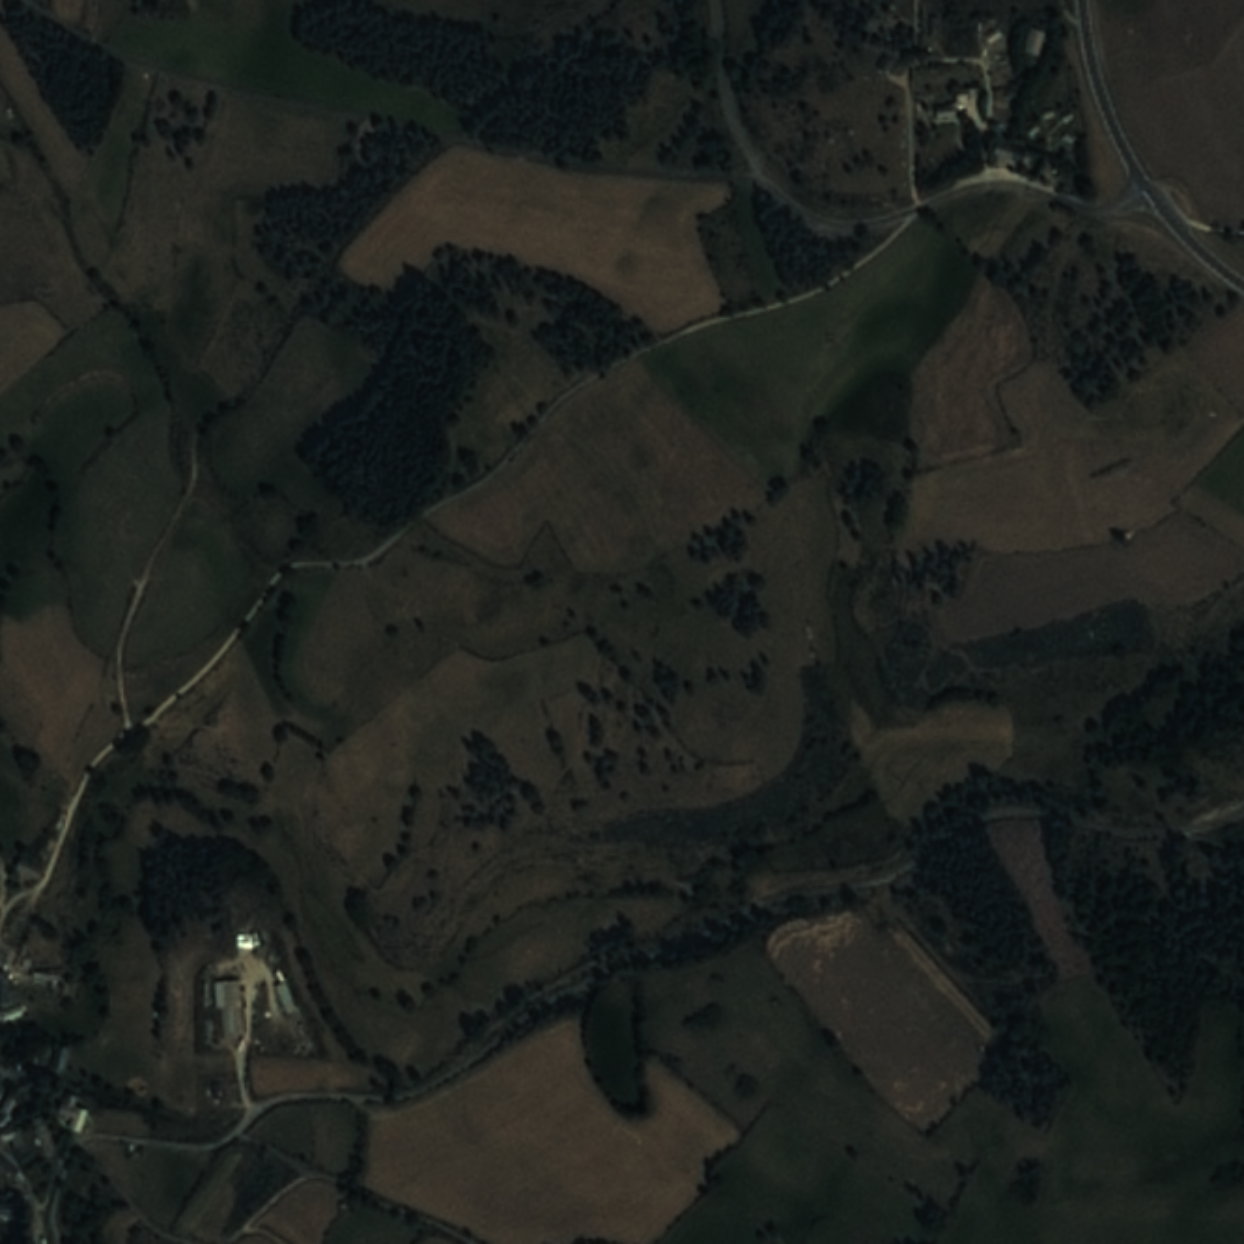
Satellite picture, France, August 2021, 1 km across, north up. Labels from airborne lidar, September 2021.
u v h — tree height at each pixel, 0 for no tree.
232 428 0
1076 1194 0
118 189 0
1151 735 19
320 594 0
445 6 0
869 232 12
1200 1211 0
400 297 11
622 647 0
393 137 11
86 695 0
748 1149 0
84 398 0
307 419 0
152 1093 0
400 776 0
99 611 0
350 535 0
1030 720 0
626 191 0
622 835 0
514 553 0
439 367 26
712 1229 0
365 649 0
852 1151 9
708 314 0
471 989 0
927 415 0
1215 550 0
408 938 0
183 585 0
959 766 0
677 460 0
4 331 0
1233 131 0
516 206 0
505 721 0
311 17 14
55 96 19
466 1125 0
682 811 0
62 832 0
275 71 0
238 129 0
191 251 0
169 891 15
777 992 0
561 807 0
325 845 0
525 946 0
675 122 0
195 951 0
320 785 0
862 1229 0
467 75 19
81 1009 0
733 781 0
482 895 0
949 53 0
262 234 13
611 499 0
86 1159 12
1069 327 7
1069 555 0
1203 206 0
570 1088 0
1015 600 0
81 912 0
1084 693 0
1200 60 0
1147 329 12
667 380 0
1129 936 15
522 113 16
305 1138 0
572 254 0
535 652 0
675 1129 0
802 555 0
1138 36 0
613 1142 0
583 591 0
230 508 0
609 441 0
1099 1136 0
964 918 16
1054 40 15
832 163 0
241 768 0
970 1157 0
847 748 10
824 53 0
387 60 15
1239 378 0
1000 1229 0
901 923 0
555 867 0
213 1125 0
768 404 0
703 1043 0
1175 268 0
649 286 0
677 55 17
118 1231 0
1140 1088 0
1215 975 20
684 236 0
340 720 0
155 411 0
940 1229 9
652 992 0
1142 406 0
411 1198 0
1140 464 0
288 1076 0
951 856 15
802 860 0
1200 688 6
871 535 0
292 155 0
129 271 0
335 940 0
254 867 14
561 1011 7
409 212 0
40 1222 0
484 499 0
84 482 0
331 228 14
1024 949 17
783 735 0
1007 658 0
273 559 0
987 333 0
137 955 0
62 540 0
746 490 0
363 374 0
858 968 0
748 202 0
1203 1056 0
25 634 0
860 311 0
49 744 0
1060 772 0
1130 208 0
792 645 0
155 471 0
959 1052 0
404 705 0
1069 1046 0
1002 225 0
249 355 0
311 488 0
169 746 0
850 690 0
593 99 22
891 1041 0
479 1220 0
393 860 10
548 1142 0
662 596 0
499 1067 0
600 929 0
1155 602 0
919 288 0
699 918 0
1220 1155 0
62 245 0
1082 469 0
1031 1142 0
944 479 0
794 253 20
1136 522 0
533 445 0
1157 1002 11
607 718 0
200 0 0
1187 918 13
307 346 0
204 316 0
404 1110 0
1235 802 0
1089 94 0
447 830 0
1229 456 0
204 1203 0
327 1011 15
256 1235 0
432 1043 0
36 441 0
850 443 0
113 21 0
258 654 0
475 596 0
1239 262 0
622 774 0
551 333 15
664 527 0
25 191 0
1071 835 9
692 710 0
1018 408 0
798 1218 0
